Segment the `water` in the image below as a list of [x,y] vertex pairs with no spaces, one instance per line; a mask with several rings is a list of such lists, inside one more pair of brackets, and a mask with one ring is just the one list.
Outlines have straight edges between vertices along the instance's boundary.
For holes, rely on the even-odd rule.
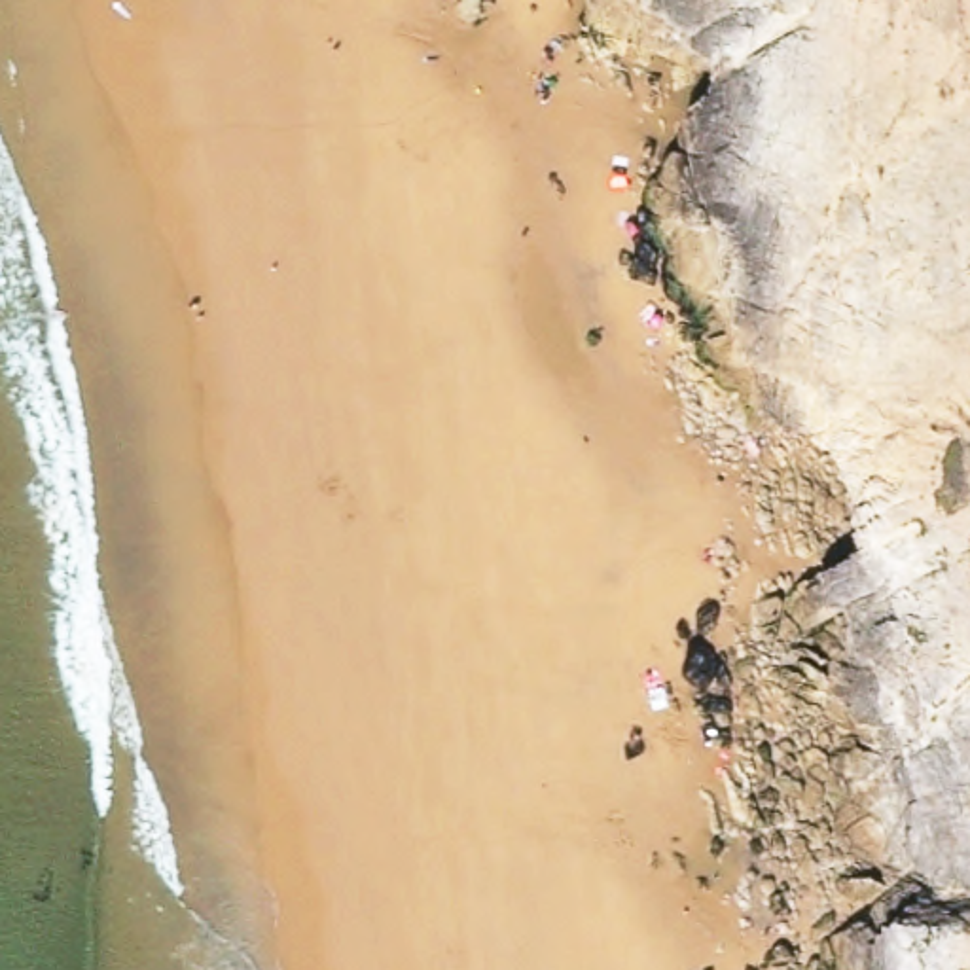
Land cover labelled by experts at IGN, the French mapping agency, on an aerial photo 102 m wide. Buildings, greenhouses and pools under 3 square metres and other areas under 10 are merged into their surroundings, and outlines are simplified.
[[0,970],[83,970],[80,943],[95,925],[102,925],[106,830],[99,822],[102,815],[95,811],[91,796],[91,746],[76,728],[53,656],[53,549],[42,530],[42,515],[27,496],[27,485],[38,470],[30,462],[23,421],[8,402],[8,371],[0,352]]

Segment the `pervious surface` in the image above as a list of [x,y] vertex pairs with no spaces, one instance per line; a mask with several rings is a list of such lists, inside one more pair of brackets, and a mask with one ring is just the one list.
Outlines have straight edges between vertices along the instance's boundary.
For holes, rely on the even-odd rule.
[[970,0],[962,0],[966,27],[940,30],[917,19],[909,4],[887,11],[883,0],[822,0],[811,23],[811,42],[781,45],[762,61],[762,72],[750,76],[758,114],[743,155],[758,167],[769,167],[765,186],[758,193],[781,216],[781,243],[773,246],[773,261],[765,273],[765,307],[788,307],[788,318],[777,330],[781,356],[762,360],[758,375],[781,383],[792,394],[799,424],[841,424],[860,436],[864,458],[879,477],[890,527],[913,527],[917,515],[928,523],[921,553],[932,565],[909,584],[875,587],[879,606],[894,614],[894,625],[887,625],[890,667],[875,678],[875,686],[879,716],[894,728],[898,750],[906,754],[928,746],[932,739],[943,739],[955,705],[962,705],[962,724],[970,728]]

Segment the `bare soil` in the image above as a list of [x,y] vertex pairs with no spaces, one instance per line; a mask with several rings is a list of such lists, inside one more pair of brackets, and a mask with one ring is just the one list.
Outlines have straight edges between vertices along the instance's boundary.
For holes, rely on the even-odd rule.
[[909,4],[917,19],[940,30],[966,27],[962,0],[883,0],[887,11]]
[[913,527],[890,527],[879,477],[864,458],[860,436],[841,424],[799,424],[792,394],[781,383],[758,375],[762,360],[781,356],[777,330],[788,318],[788,307],[765,307],[765,273],[773,261],[773,246],[781,243],[781,216],[758,193],[765,186],[769,167],[758,167],[743,155],[758,114],[750,76],[762,72],[762,61],[781,45],[811,42],[811,23],[822,0],[0,0],[0,352],[8,371],[8,402],[23,421],[30,462],[38,470],[27,485],[27,496],[42,515],[42,530],[53,549],[53,656],[76,728],[91,746],[91,796],[95,811],[102,815],[99,822],[106,830],[102,925],[95,925],[80,943],[83,970],[970,970],[970,728],[962,724],[962,705],[955,705],[943,739],[932,739],[928,746],[906,754],[898,750],[894,728],[879,716],[875,686],[875,678],[890,667],[887,625],[894,625],[894,614],[879,606],[875,587],[909,584],[932,565],[921,553],[928,523],[917,515]]

